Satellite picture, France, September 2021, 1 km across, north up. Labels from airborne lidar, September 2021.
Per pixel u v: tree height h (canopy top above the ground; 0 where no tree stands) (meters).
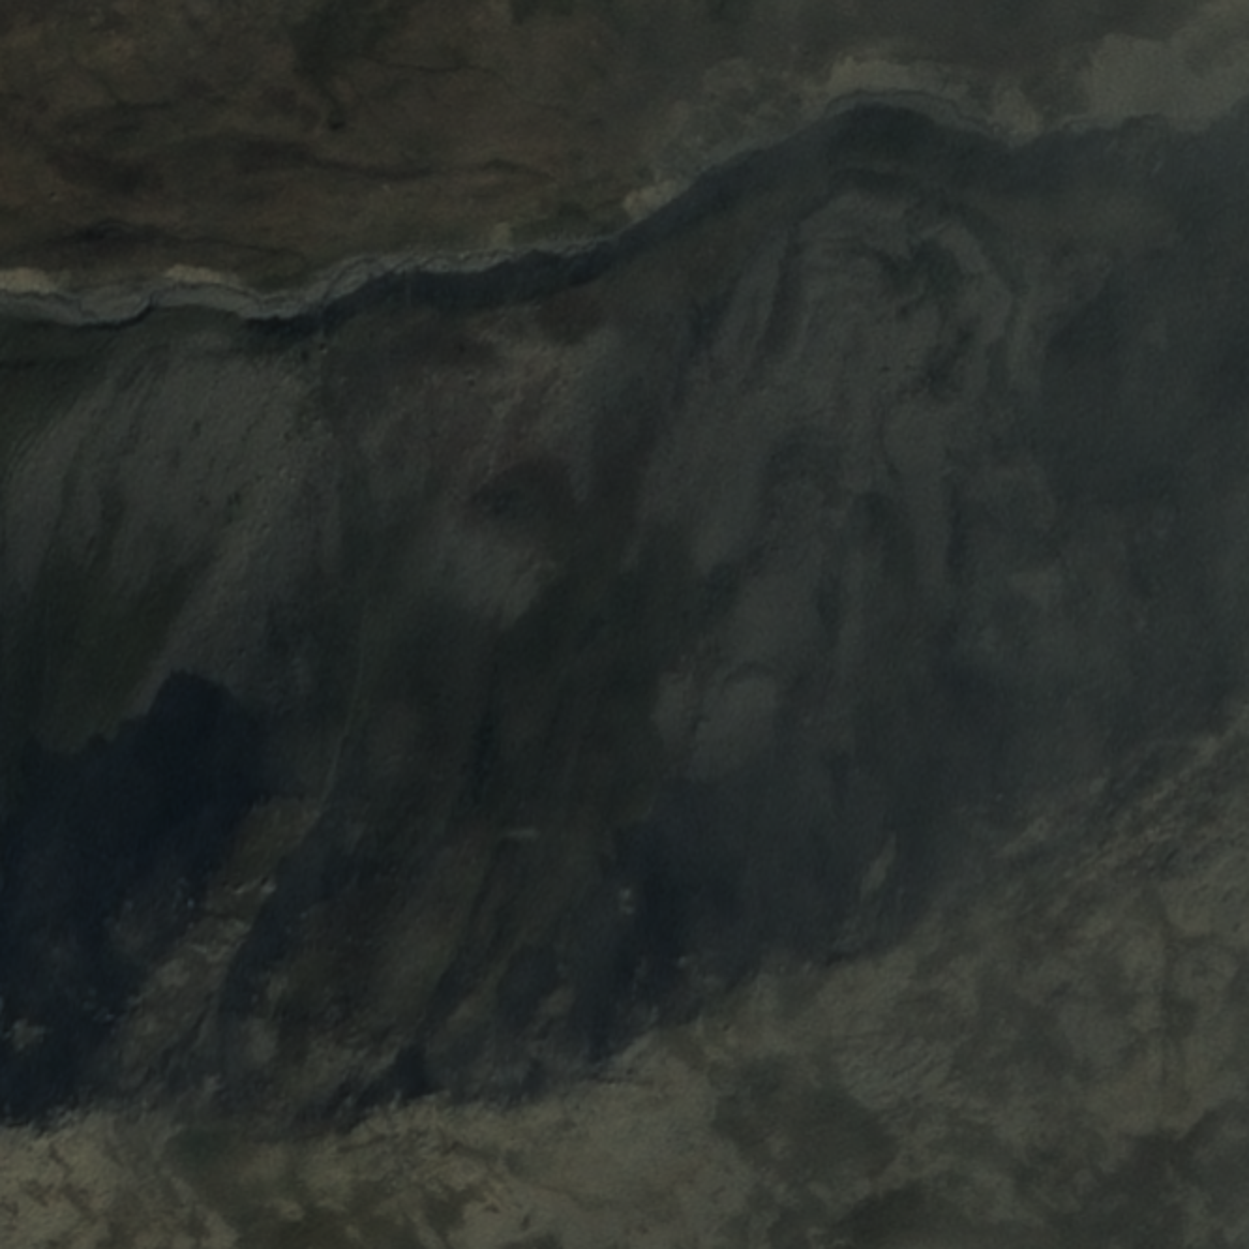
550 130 0
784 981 0
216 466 0
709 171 0
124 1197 0
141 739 0
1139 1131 0
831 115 0
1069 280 0
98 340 0
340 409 0
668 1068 0
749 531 0
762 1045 0
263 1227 0
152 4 0
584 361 0
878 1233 0
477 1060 0
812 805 0
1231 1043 0
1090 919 0
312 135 0
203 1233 0
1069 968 0
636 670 0
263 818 0
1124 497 6
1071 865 0
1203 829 0
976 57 0
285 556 0
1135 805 0
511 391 0
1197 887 0
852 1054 0
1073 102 0
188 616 0
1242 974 0
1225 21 0
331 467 0
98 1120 0
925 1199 0
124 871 0
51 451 0
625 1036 0
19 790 0
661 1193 0
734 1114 0
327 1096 0
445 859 0
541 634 0
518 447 0
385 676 0
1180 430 9
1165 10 0
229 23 0
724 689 0
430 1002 0
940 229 0
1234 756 0
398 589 0
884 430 0
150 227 0
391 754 0
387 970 0
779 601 0
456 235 0
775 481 0
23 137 0
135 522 0
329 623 0
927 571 0
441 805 0
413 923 0
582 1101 0
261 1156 0
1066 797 0
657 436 0
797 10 0
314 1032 0
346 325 0
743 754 0
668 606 0
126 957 0
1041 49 0
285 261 0
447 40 0
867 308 0
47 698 0
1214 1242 0
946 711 0
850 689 0
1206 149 0
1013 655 0
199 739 0
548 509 0
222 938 0
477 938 0
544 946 0
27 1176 0
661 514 0
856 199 0
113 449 0
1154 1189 0
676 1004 0
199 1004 0
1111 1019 0
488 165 0
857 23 0
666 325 0
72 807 0
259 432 0
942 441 0
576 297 0
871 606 0
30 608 0
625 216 0
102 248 0
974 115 0
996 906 0
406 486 0
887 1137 0
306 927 0
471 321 0
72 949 0
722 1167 0
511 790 0
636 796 0
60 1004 0
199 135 0
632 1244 0
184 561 0
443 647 0
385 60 0
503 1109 0
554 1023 0
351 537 0
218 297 0
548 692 0
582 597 0
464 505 0
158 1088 0
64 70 0
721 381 0
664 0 0
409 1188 0
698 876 0
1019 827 0
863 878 0
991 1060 0
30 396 0
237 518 0
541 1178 0
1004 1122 0
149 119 0
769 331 0
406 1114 0
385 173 0
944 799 0
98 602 0
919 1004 0
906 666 0
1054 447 6
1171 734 0
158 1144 0
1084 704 0
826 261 0
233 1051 0
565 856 0
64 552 0
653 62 0
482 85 0
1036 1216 0
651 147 0
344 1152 0
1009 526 0
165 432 0
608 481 0
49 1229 0
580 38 0
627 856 0
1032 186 6
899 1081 0
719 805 0
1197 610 5
